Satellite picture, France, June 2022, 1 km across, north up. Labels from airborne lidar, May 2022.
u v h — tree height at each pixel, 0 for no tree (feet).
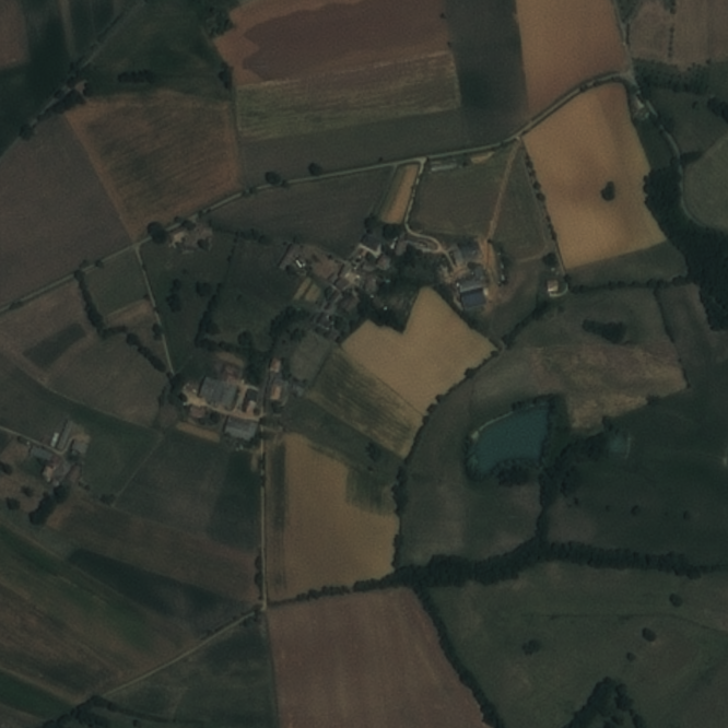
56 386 0
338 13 0
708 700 0
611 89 0
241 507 0
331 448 0
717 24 0
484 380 0
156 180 0
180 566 0
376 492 0
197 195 0
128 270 0
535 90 0
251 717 0
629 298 0
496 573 37
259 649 0
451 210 0
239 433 0
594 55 0
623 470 0
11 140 0
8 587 0
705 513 0
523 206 0
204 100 0
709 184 0
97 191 0
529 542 26
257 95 0
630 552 54
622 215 0
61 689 0
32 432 0
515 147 0
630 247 0
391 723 0
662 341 0
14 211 0
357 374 0
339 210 0
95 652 0
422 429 25
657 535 0
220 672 0
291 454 0
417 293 0
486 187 0
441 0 0
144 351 43
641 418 0
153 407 0
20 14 0
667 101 0
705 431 0
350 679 0
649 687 0
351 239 0
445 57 0
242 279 0
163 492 0
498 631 0
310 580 0
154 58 0
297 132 0
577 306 0
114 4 0
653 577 0
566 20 0
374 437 0
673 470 0
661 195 24
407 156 0
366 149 0
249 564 0
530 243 0
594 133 0
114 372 0
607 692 77
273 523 0
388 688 0
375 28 0
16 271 0
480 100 0
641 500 0
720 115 31
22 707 0
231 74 18
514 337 21
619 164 0
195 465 0
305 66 0
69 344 0
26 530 0
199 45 0
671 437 0
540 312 37
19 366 0
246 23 0
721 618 0
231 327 0
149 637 0
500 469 36
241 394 0
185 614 0
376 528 0
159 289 0
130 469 0
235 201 0
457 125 0
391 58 0
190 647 0
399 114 0
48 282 0
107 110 0
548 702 0
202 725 0
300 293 0
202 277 0
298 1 0
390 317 40
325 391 0
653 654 0
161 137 0
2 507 0
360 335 0
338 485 0
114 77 0
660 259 0
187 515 0
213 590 0
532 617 0
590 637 0
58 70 0
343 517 0
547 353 0
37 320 0
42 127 0
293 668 0
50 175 0
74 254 0
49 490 0
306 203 0
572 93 0
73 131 0
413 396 0
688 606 0
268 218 0
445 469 0
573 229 0
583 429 0
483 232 0
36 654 0
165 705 0
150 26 0
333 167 0
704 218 0
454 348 0
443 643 28
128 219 0
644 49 0
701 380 0
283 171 0
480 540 0
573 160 0
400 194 0
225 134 0
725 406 0
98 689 0
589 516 0
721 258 67
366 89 0
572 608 0
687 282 42
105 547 0
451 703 0
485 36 0
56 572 0
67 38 0
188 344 0
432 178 0
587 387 0
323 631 0
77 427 0
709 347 0
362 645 0
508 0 0
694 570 40
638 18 0
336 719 0
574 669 0
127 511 0
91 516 0
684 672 0
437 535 0
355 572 0
